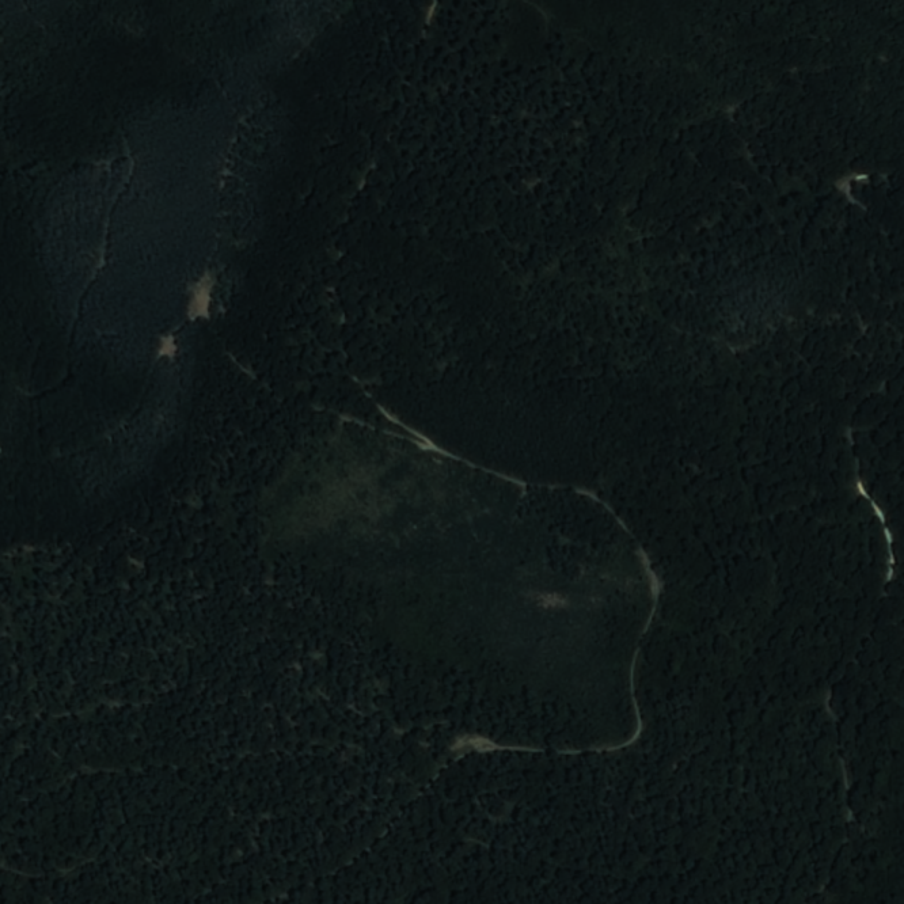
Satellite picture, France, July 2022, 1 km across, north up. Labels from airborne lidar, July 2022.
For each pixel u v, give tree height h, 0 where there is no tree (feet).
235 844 19
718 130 92
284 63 30
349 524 37
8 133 46
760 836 98
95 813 46
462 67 26
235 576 91
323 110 63
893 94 65
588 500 60
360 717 60
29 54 28
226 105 49
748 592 92
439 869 103
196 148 42
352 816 109
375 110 84
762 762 60
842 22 53
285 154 69
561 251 71
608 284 31
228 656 88
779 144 95
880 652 108
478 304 62
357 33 52
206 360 57
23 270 54
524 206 87
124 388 47
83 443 46
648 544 27
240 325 65
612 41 57
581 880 94
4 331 36
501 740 70
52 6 54
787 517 104
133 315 43
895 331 50
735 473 66
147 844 47
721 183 113
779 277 52
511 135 106
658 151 21
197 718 61
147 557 91
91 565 94
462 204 86
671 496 33
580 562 71
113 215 32
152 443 26
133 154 32
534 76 94
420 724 93
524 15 20
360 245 74
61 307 44
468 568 0
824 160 111
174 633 109
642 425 35
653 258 21
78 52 27
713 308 62
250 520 75
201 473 55
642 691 45
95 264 27
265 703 81
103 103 35
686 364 52
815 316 22
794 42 64
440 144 99
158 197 31
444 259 46
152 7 40
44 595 52
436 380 25
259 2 20
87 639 101
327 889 101
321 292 90
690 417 62
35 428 63
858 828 88
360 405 58
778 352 66
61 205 30
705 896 97
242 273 53
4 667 79
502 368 20
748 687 31
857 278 76
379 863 38
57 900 78
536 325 37
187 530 93
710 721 37
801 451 95
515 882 107
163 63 28
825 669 101
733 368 25
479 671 24
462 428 40
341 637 55
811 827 47
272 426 82
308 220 77
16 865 42
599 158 83
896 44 47
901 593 94
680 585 45
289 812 31
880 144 51
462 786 59
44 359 38
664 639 22
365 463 0
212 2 36
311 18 21
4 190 98
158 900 32
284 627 78
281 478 78
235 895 60
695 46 26
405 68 92
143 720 88
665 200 103
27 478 50
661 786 85
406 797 94
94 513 42
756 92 61
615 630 39
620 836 90
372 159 63
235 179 51
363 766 109
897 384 83
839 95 75
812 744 102
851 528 40
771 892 83
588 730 64
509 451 48
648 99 91
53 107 42
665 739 31
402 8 83
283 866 102
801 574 66
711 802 81
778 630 36
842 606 94
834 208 85
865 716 36
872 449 90
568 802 87
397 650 108
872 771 28
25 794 84
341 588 57
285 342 83
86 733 102
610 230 94
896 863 24
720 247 22
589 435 41
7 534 50
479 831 107
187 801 99
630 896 71
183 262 38
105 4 33
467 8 108
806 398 94
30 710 65
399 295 77
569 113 100
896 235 71
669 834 81
